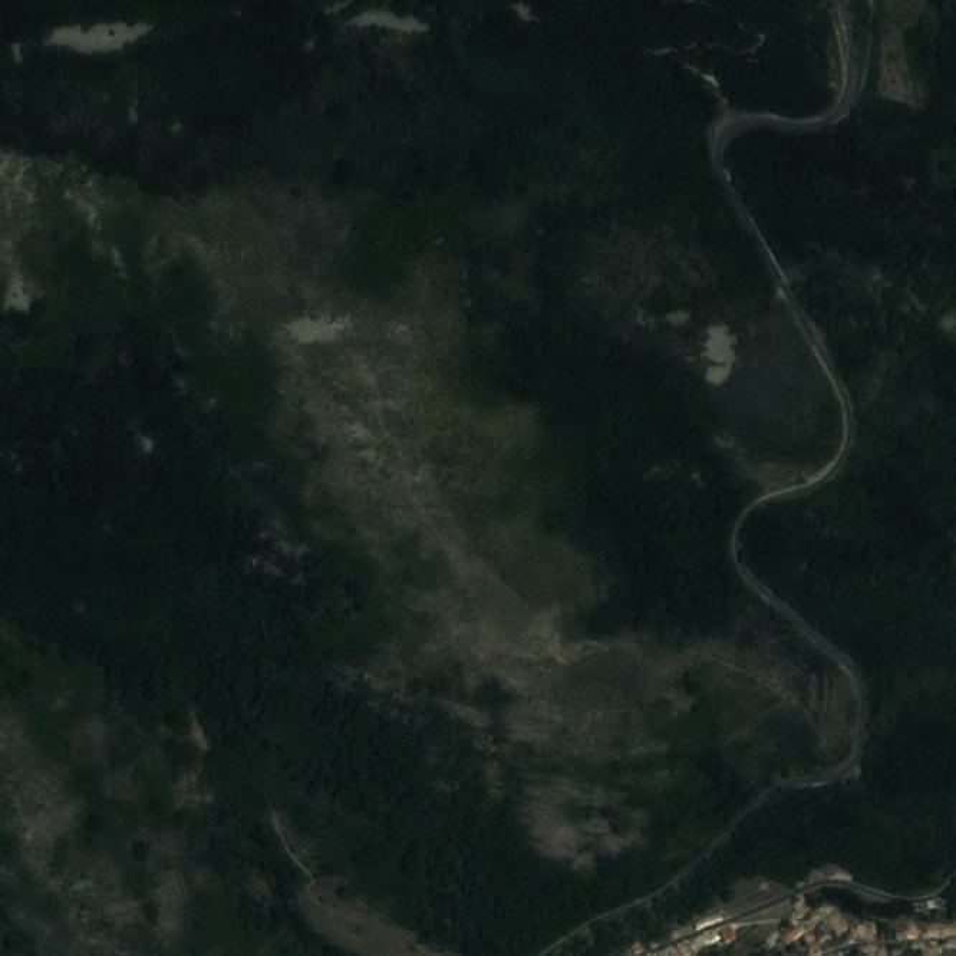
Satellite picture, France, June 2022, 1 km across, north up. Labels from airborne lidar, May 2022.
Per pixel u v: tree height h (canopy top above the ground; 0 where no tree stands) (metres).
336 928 0
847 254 14
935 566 18
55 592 23
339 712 13
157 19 13
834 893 18
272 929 10
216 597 15
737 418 0
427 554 0
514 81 11
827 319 13
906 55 0
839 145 10
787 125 0
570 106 11
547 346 7
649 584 14
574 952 8
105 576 21
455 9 18
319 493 0
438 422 0
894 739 8
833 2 8
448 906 13
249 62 17
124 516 18
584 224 6
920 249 14
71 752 0
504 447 0
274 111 6
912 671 6
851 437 0
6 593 21
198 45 20
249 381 0
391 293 0
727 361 0
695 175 15
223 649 18
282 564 13
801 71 15
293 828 0
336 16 9
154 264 0
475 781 9
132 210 0
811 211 25
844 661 0
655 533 13
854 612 14
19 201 0
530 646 0
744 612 6
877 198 10
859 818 11
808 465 0
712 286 9
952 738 12
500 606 0
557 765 0
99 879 0
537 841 0
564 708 0
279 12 20
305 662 13
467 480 0
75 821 0
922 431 13
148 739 0
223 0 15
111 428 16
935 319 8
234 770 0
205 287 0
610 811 8
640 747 0
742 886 0
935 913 10
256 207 0
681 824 9
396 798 9
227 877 14
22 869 0
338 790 11
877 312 8
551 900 21
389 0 7
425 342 0
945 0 14
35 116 14
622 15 22
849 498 10
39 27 19
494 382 5
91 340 12
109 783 0
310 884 0
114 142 14
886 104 6
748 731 0
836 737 0
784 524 18
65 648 9
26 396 11
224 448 13
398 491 0
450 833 10
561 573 0
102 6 23
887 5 0
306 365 0
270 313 0
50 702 0
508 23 14
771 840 16
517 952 17
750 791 9
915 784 11
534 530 0
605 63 22
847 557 20
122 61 16
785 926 11
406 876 12
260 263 0
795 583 17
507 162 11
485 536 0
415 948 6
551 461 0
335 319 0
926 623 10
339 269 0
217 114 10
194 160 13
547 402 8
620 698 0
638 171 6
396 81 7
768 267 9
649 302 6
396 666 0
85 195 0
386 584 0
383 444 0
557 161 8
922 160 11
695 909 14
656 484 8
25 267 0
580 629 0
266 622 12
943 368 8
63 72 19
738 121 0
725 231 9
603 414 17
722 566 14
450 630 0
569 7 17
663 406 10
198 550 17
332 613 12
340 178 10
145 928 0
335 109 10
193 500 19
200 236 0
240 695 19
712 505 11
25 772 0
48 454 10
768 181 12
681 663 0
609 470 18
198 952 10
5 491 16
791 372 0
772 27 10
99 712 0
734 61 16
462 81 7
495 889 19
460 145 6
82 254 0
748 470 0
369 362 0
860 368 7
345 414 0
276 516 0
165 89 14
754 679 0
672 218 6
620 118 9
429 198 7
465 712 0
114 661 18
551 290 5
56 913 0
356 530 0
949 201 11
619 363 12
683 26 16
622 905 12
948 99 11
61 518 16
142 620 19
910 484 11
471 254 8
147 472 16
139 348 15
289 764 11
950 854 12
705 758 10
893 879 14
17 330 7
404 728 10
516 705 0
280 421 0
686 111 16
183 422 10
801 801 8
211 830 8
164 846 0
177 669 16
